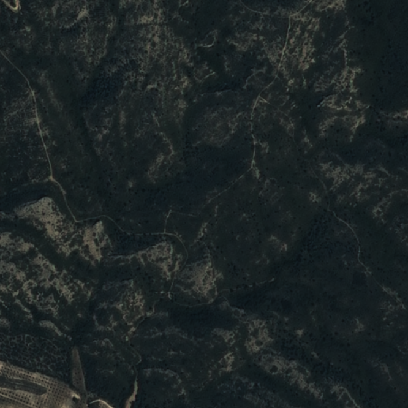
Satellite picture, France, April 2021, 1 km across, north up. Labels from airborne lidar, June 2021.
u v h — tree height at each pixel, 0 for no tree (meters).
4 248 0
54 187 0
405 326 0
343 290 0
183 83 0
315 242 9
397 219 0
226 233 0
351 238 0
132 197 0
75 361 0
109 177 8
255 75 0
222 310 0
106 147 0
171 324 0
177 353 0
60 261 0
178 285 0
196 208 0
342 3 0
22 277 0
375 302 0
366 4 13
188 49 0
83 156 0
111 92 8
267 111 0
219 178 0
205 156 0
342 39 0
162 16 0
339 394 0
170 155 0
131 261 0
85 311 0
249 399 0
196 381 0
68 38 0
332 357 0
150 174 0
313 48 0
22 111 0
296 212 0
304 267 6
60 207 0
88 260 0
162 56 0
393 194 0
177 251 0
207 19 0
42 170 0
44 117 0
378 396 0
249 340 0
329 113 0
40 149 0
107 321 0
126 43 0
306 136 0
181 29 0
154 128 0
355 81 0
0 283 0
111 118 0
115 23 0
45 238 0
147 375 0
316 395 0
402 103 0
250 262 0
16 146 0
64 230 0
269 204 0
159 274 0
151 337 0
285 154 0
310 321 0
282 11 0
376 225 0
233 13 0
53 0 0
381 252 0
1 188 0
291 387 0
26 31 0
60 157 0
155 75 0
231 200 0
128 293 0
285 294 0
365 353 0
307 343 8
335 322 0
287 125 0
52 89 0
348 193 0
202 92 0
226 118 0
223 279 0
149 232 0
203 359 0
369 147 0
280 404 0
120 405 6
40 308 0
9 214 0
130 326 0
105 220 0
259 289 7
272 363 0
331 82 0
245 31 0
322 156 0
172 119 0
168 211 0
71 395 0
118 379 0
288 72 0
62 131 0
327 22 0
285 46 0
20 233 0
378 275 0
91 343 0
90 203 0
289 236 0
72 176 0
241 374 0
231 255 0
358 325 0
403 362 0
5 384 0
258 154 0
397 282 0
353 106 0
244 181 0
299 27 0
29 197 0
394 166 0
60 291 0
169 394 0
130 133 0
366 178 0
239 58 0
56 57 0
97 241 0
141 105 0
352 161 0
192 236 0
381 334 0
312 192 0
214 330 0
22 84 0
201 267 0
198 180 0
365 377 0
